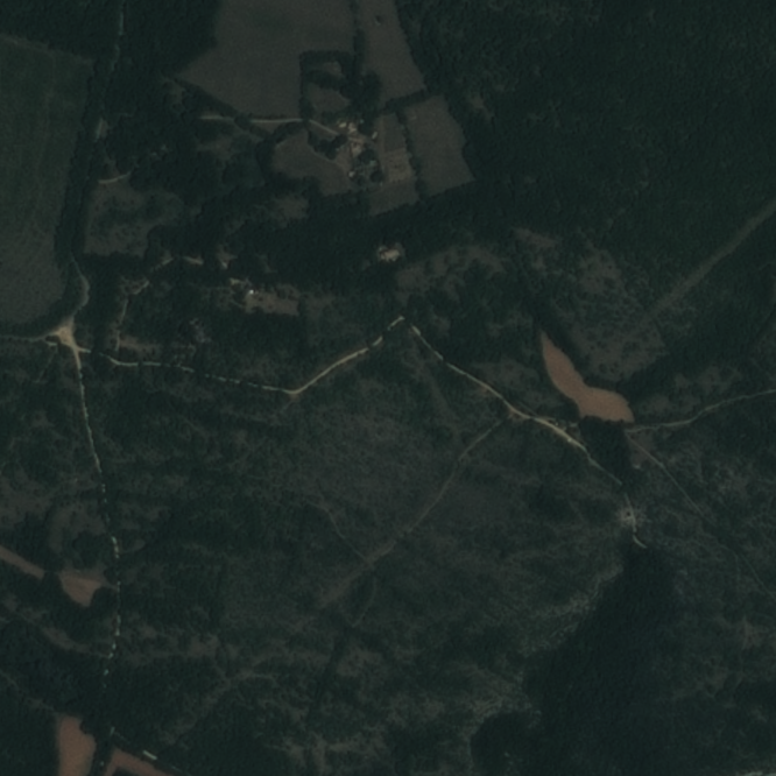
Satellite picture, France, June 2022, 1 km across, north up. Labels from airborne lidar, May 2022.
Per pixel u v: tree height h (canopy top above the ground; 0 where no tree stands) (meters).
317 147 10
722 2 9
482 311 9
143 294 8
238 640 6
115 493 8
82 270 7
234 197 12
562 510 12
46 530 12
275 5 0
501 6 11
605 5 11
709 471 6
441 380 6
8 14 11
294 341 6
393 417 6
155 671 7
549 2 9
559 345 12
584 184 9
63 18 14
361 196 12
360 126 9
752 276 9
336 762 7
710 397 5
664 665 6
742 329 9
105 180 9
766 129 7
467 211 12
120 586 9
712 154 9
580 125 11
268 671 6
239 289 6
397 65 0
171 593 7
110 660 7
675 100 10
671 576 6
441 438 9
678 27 9
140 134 15
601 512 9
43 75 0
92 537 7
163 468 10
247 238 12
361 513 6
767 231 10
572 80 6
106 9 14
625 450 7
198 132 12
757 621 5
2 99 0
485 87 9
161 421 5
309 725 7
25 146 0
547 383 7
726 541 7
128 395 9
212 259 10
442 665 7
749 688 9
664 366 10
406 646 5
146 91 12
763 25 9
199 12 15
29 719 10
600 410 0
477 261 9
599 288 0
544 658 8
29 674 12
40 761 12
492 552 6
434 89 12
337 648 8
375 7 0
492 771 9
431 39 12
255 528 7
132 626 7
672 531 8
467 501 0
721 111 12
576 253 7
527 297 8
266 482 6
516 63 11
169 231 11
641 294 5
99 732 10
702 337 9
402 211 15
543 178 9
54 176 0
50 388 8
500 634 6
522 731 9
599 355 0
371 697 6
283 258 10
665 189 8
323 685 9
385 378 6
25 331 7
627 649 8
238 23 0
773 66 7
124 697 8
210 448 7
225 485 6
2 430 9
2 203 0
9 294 0
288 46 0
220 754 7
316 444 7
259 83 0
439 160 0
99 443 7
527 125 11
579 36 10
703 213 7
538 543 8
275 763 10
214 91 0
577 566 6
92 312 9
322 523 8
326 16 0
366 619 7
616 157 9
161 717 8
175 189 16
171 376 8
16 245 0
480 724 8
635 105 9
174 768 9
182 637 7
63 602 9
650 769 8
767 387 6
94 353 10
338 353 6
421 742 7
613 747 10
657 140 8
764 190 7
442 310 10
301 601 7
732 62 9
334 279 8
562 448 7
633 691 6
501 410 6
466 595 6
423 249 6
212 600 7
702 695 7
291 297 7
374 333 7
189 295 11
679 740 5
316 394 8
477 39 11
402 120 10
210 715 6
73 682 6
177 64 10
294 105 0
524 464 7
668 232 6
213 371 6
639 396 12
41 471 9
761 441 7
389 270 11
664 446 8
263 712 6
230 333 7
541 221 7
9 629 11
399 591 6
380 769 8
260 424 7
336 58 10
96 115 12
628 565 11
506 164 13
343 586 0
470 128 14
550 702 11
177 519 13
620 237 8
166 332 9
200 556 7
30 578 10
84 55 14
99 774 12
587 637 14
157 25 12
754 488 5
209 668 7
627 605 19
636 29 10
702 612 7
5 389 10
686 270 7
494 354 8
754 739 6
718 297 7
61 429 9
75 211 10
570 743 8
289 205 0
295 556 7
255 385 8
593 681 6
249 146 8
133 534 11
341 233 11
